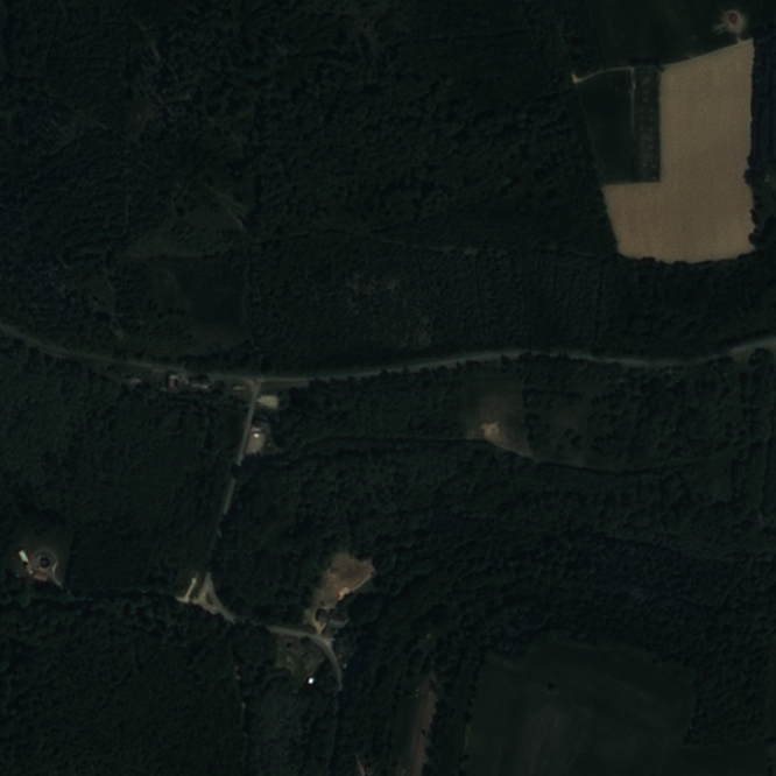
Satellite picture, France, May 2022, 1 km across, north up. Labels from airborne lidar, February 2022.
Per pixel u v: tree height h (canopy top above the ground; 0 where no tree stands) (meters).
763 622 13
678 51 0
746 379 18
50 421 29
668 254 0
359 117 28
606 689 0
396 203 30
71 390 27
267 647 25
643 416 13
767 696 9
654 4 0
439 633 0
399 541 11
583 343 13
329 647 0
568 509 25
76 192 19
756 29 0
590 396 0
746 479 19
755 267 12
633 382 17
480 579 24
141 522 14
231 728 12
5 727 28
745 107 0
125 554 9
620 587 22
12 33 19
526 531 11
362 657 22
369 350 9
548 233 13
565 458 0
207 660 14
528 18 12
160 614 27
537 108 19
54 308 27
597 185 11
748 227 0
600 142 0
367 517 22
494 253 7
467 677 0
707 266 7
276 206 26
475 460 24
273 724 23
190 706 15
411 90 26
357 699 27
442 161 30
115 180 11
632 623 18
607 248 12
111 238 7
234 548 26
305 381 0
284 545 26
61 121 35
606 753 0
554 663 0
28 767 24
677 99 0
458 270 10
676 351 22
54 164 14
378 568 18
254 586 31
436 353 12
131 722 17
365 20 0
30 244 14
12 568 0
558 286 18
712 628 20
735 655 8
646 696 0
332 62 27
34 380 28
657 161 0
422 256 10
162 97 31
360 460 24
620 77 0
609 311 16
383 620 24
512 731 0
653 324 24
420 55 10
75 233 17
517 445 0
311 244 6
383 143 28
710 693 6
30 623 36
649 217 0
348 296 7
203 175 8
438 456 25
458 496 27
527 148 30
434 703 17
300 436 21
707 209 0
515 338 9
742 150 0
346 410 18
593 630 16
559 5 19
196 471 7
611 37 0
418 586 27
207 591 0
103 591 9
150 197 9
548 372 20
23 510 39
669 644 12
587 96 0
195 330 0
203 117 24
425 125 28
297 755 26
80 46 12
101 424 11
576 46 16
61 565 0
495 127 27
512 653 19
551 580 10
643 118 0
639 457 30
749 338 11
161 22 13
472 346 9
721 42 0
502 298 9
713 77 0
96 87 14
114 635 27
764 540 23
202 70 33
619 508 32
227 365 26
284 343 12
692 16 0
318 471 30
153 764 11
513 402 0
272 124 29
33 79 24
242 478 22
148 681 19
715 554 22
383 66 24
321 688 12
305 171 32
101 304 10
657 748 0
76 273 9
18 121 8
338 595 0
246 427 0
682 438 23
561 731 0
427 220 15
